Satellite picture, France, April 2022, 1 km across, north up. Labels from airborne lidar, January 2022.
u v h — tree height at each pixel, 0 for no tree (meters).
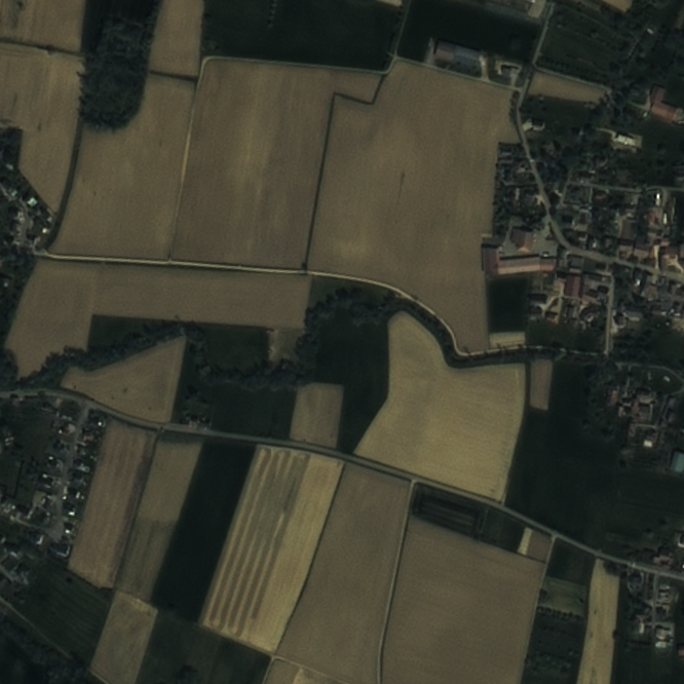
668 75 9
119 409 0
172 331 15
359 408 0
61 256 0
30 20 0
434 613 0
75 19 0
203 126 0
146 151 0
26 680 0
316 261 0
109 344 0
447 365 0
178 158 0
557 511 0
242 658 0
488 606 0
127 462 0
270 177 0
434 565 0
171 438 0
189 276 0
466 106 0
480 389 0
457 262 0
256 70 0
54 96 0
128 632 0
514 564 0
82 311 0
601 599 0
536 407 0
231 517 0
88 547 0
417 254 0
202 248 0
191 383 0
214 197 0
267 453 0
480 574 0
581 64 0
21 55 0
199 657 0
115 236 0
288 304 0
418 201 0
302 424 0
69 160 0
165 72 0
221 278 0
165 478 0
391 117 0
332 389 0
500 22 0
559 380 0
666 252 0
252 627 0
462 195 0
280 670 0
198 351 19
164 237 0
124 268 0
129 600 0
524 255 0
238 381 16
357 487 0
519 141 0
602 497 0
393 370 0
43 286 0
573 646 0
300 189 0
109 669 0
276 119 0
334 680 0
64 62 0
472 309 0
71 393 0
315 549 0
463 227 0
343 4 0
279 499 0
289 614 0
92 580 0
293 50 0
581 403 0
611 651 0
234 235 0
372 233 0
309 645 0
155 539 0
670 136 0
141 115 0
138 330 0
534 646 0
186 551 0
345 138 0
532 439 0
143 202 0
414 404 0
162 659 0
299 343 0
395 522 0
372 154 0
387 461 0
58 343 0
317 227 0
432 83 0
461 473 0
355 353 0
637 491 0
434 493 0
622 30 14
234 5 0
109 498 0
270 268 0
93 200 0
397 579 0
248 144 0
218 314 0
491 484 0
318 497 0
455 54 0
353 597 0
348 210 0
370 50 0
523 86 0
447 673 0
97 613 0
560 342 0
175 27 0
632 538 0
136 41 16
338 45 0
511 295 0
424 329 0
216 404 0
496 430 0
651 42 18
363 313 20
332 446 0
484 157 0
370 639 0
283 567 0
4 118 0
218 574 0
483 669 0
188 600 0
